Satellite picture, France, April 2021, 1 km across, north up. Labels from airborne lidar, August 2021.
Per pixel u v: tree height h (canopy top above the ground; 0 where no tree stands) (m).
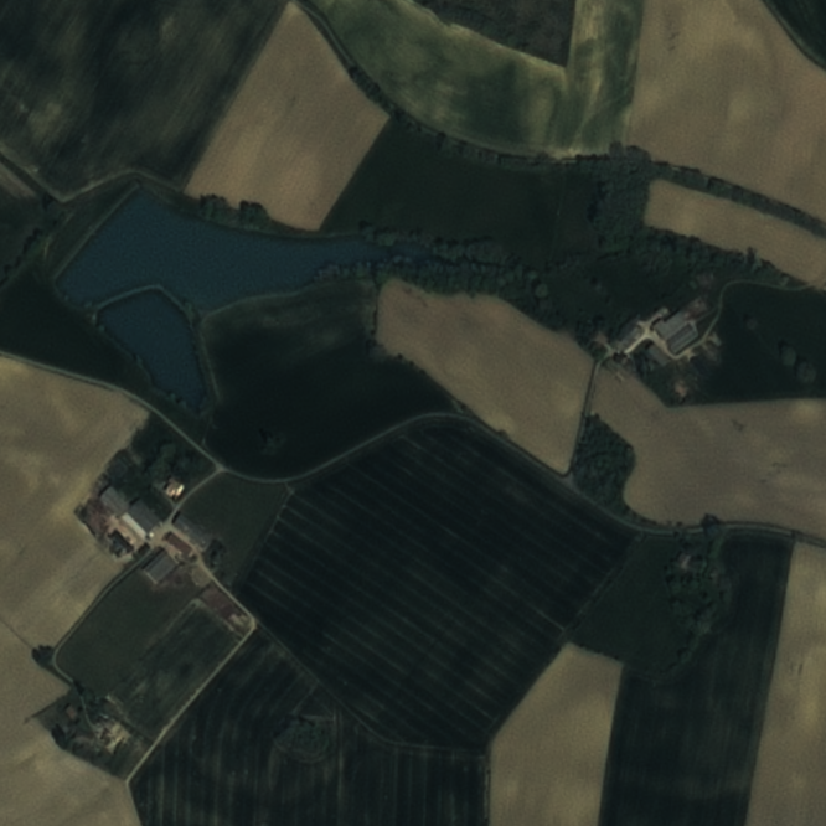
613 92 0
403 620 0
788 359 14
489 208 0
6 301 0
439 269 23
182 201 0
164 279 0
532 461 0
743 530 0
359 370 0
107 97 0
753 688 0
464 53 0
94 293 0
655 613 0
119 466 0
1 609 0
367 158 0
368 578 0
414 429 0
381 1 0
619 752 0
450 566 0
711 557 8
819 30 0
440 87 0
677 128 0
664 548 0
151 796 0
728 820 0
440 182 0
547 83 0
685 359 0
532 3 0
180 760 0
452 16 20
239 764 0
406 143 0
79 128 0
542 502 0
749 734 0
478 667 0
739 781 0
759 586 0
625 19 0
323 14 0
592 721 0
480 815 0
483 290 19
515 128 0
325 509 0
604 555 0
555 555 0
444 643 0
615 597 0
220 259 0
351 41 0
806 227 23
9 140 0
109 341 0
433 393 0
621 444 7
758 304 0
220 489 0
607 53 0
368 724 0
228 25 0
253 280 0
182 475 13
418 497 0
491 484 0
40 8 0
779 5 0
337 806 0
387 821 0
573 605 0
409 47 0
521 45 8
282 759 0
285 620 0
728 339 0
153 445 0
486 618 0
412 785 0
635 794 0
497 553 0
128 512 0
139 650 0
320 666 0
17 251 0
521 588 0
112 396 0
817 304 0
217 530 0
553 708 0
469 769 0
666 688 0
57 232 0
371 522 0
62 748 21
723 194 15
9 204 0
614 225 23
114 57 0
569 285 0
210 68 0
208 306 0
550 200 0
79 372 0
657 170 13
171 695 0
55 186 0
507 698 0
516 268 16
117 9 0
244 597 0
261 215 20
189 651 0
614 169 20
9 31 0
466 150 15
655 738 0
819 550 0
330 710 0
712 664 0
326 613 0
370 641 0
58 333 0
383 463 0
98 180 0
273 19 0
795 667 0
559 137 0
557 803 0
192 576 0
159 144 0
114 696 0
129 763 0
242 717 0
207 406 24
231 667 0
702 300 0
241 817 0
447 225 0
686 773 0
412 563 0
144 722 0
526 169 14
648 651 0
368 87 25
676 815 0
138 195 0
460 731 0
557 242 0
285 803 0
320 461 0
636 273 0
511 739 0
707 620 17
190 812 0
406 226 0
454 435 0
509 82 0
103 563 0
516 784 0
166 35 0
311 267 0
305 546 0
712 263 10
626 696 0
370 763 0
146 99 0
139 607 0
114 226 0
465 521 0
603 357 12
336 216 0
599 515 0
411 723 0
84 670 0
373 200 0
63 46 0
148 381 0
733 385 0
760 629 0
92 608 0
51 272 0
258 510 0
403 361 8
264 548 0
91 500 0
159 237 0
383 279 22
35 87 0
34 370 0
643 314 0
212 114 0
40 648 0
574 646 0
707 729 0
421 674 0
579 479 15
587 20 0
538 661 0
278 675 0
